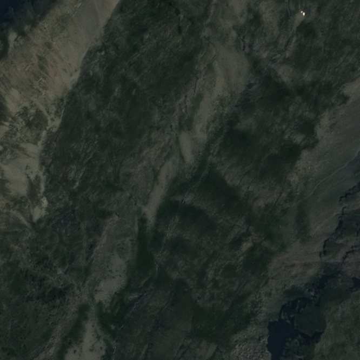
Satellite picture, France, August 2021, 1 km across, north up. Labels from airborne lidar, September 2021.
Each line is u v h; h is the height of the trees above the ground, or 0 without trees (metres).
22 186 0
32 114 0
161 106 0
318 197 0
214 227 0
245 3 0
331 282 0
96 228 0
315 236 0
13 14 0
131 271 0
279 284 0
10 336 0
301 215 0
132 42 0
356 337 0
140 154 0
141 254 0
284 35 0
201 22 0
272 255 0
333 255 0
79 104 0
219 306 0
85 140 0
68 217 0
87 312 0
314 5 0
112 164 0
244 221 0
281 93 0
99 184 0
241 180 0
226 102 0
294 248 0
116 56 0
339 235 0
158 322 0
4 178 0
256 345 0
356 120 0
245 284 0
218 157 0
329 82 0
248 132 0
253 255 0
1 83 0
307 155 0
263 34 0
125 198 0
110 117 0
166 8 0
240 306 0
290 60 0
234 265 0
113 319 0
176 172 0
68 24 0
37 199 0
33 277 10
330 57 0
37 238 0
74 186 0
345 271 0
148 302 0
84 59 0
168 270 0
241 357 0
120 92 0
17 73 0
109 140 0
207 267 0
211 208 0
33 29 0
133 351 0
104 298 0
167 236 0
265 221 0
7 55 0
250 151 0
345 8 0
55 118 0
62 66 0
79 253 0
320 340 0
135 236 0
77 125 0
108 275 0
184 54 0
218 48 0
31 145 0
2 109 0
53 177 0
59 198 0
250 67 0
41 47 0
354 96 0
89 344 0
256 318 0
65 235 0
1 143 0
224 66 0
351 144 0
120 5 0
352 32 0
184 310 0
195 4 0
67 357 0
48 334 0
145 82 0
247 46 0
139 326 0
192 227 0
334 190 0
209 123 0
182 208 0
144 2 0
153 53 0
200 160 0
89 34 0
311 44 0
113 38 0
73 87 0
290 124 0
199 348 0
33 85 0
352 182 0
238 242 0
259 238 0
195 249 0
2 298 0
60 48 0
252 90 0
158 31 0
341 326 0
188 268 0
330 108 0
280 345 0
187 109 0
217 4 0
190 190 0
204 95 0
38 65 0
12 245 0
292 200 0
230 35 0
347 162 0
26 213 0
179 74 0
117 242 0
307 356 0
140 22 0
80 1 0
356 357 0
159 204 0
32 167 0
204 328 0
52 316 13
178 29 0
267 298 0
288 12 0
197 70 0
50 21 0
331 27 0
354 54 0
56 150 0
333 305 0
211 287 0
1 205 0
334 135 0
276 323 0
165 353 0
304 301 0
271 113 0
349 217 0
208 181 0
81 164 0
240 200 0
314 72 0
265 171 0
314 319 0
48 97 0
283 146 0
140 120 0
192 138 0
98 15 0
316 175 0
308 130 0
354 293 0
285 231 0
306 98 0
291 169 0
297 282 0
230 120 0
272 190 0
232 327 0
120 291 0
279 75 0
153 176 0
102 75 0
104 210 0
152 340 0
